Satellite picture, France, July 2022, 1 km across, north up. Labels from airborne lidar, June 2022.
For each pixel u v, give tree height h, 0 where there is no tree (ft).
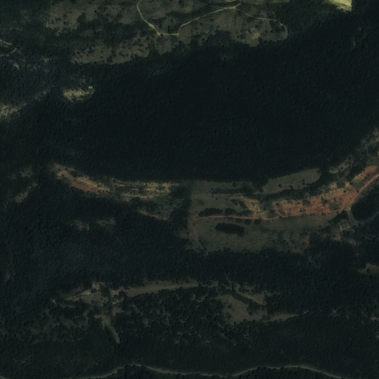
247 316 0
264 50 57
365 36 26
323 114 38
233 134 31
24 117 36
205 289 22
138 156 40
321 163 38
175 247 28
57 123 23
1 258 37
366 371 42
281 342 39
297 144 35
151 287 0
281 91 38
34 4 29
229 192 30
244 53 40
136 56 22
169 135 49
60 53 35
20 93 30
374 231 33
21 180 40
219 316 37
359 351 43
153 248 25
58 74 25
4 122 27
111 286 27
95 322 41
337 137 29
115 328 46
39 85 42
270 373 91
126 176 28
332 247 39
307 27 19
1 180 34
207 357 32
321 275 42
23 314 36
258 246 0
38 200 38
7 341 38
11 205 42
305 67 38
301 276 55
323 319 40
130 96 47
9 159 29
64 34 26
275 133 38
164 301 38
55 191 32
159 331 36
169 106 39
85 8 0
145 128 41
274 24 36
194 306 51
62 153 21
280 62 47
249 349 37
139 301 36
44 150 66
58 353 30
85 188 0
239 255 47
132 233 31
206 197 0
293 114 36
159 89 44
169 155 37
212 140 46
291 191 30
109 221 29
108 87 29
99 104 38
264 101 46
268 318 30
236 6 0
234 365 22
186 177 25
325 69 32
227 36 41
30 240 58
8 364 26
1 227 58
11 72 46
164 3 0
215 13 0
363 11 46
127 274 29
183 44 34
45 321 22
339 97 31
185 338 52
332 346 49
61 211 32
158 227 45
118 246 24
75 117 24
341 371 47
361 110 29
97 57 0
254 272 28
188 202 23
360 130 50
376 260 40
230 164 29
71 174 21
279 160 29
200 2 0
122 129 46
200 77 23
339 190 0
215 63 41
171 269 29
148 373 68
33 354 35
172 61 41
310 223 0
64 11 0
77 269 21
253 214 0
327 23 31
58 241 51
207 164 30
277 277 38
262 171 28
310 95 52
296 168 25
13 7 26
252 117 37
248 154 32
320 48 54
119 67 43
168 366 29
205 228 0
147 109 41
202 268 35
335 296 59
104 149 43
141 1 0
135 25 18
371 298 51
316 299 70
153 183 0
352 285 31
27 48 22
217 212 31
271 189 0
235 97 41
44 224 53
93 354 33
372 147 23
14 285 30
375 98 28
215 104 58
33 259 22
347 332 35
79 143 40
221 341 48
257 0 0
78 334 32
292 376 67
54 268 19
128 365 44
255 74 33
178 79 59
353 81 32
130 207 40
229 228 43
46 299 31
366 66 30
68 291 26
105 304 33
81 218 29
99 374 19
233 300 0
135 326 38
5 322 24
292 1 41
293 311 36
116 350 55
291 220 0
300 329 30
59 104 27
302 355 43
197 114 58
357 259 47
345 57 49
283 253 31
